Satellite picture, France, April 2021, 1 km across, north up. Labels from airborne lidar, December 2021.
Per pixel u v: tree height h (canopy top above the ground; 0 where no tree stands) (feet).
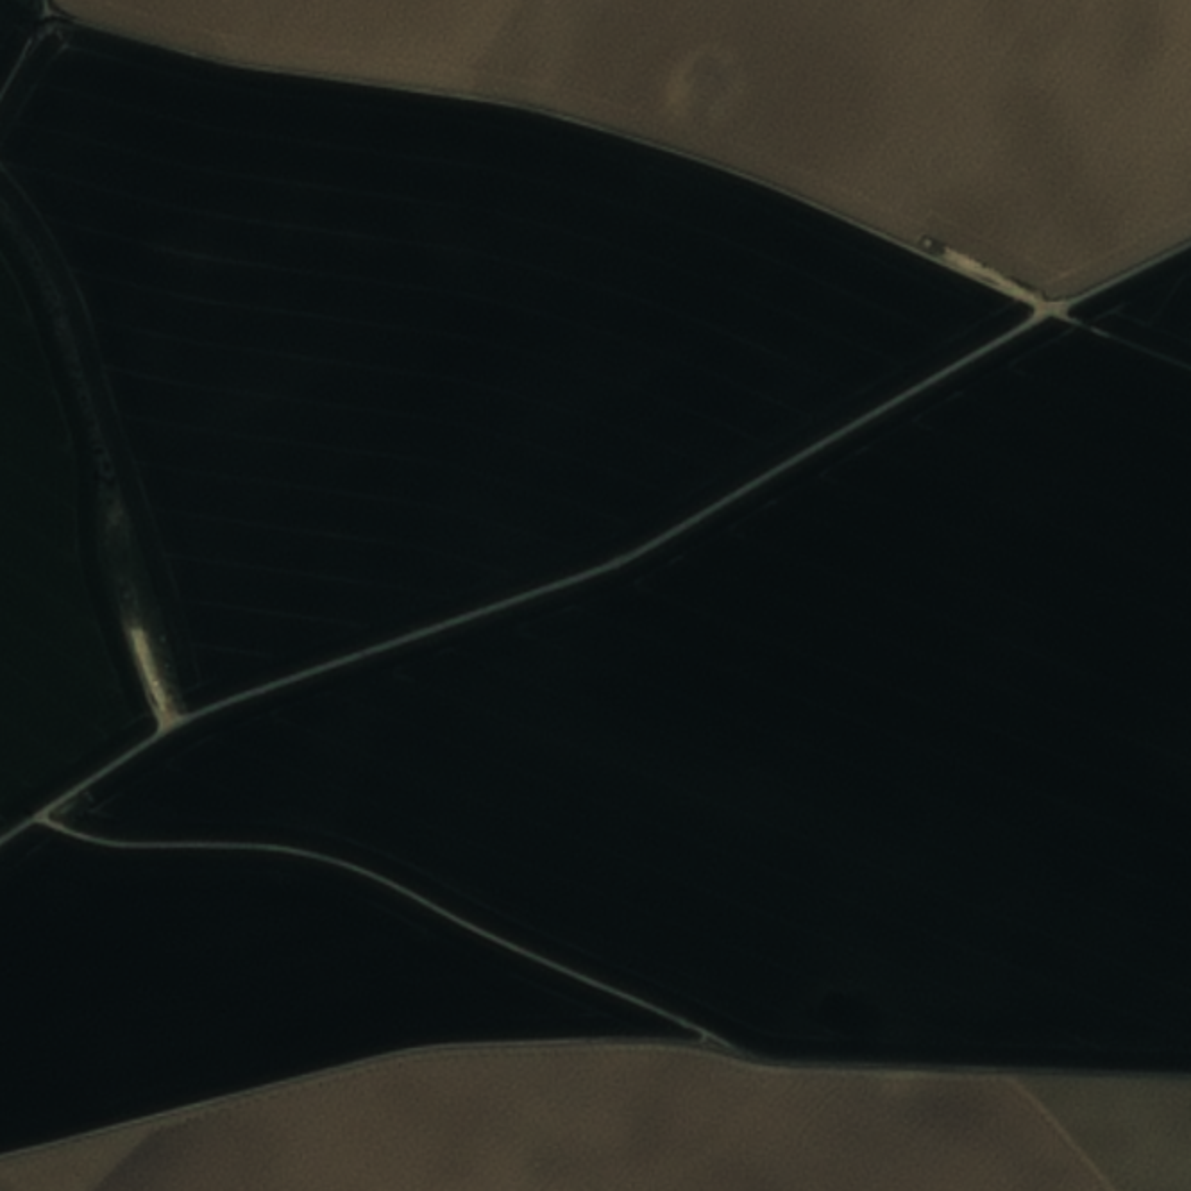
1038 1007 0
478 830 0
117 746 0
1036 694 0
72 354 24
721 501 0
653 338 0
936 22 0
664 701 0
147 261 0
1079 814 0
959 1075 0
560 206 0
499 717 0
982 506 0
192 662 0
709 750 0
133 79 0
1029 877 0
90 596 0
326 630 0
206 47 0
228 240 0
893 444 0
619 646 0
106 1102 0
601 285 0
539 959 0
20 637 0
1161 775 0
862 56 0
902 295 0
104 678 0
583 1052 0
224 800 0
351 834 0
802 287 0
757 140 0
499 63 0
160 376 0
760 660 0
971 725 0
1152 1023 0
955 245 0
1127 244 0
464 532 0
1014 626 0
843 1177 0
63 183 0
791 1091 0
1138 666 0
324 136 0
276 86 0
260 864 0
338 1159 0
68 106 0
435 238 0
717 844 0
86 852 0
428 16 0
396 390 0
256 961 0
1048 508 0
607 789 0
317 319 0
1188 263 0
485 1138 0
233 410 0
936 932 0
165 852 0
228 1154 0
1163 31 0
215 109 0
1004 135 0
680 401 0
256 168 0
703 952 0
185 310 0
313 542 0
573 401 0
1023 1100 0
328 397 0
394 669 0
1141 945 0
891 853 0
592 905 0
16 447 0
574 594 0
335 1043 0
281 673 0
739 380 0
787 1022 0
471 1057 0
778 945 0
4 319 0
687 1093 0
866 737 0
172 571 0
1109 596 0
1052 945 0
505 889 0
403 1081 0
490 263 0
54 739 0
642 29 0
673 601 0
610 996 0
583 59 0
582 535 0
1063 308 0
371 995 0
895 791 0
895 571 0
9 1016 0
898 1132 0
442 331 0
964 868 0
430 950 0
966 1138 0
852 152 0
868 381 0
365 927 0
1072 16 0
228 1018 0
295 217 0
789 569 0
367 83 0
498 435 0
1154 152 0
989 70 0
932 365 0
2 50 0
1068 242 0
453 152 0
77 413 0
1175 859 0
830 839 0
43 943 0
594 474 0
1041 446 0
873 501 0
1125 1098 0
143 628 0
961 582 0
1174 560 0
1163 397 0
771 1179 0
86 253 0
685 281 0
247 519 0
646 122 0
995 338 0
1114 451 0
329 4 0
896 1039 0
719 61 0
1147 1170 0
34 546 0
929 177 0
